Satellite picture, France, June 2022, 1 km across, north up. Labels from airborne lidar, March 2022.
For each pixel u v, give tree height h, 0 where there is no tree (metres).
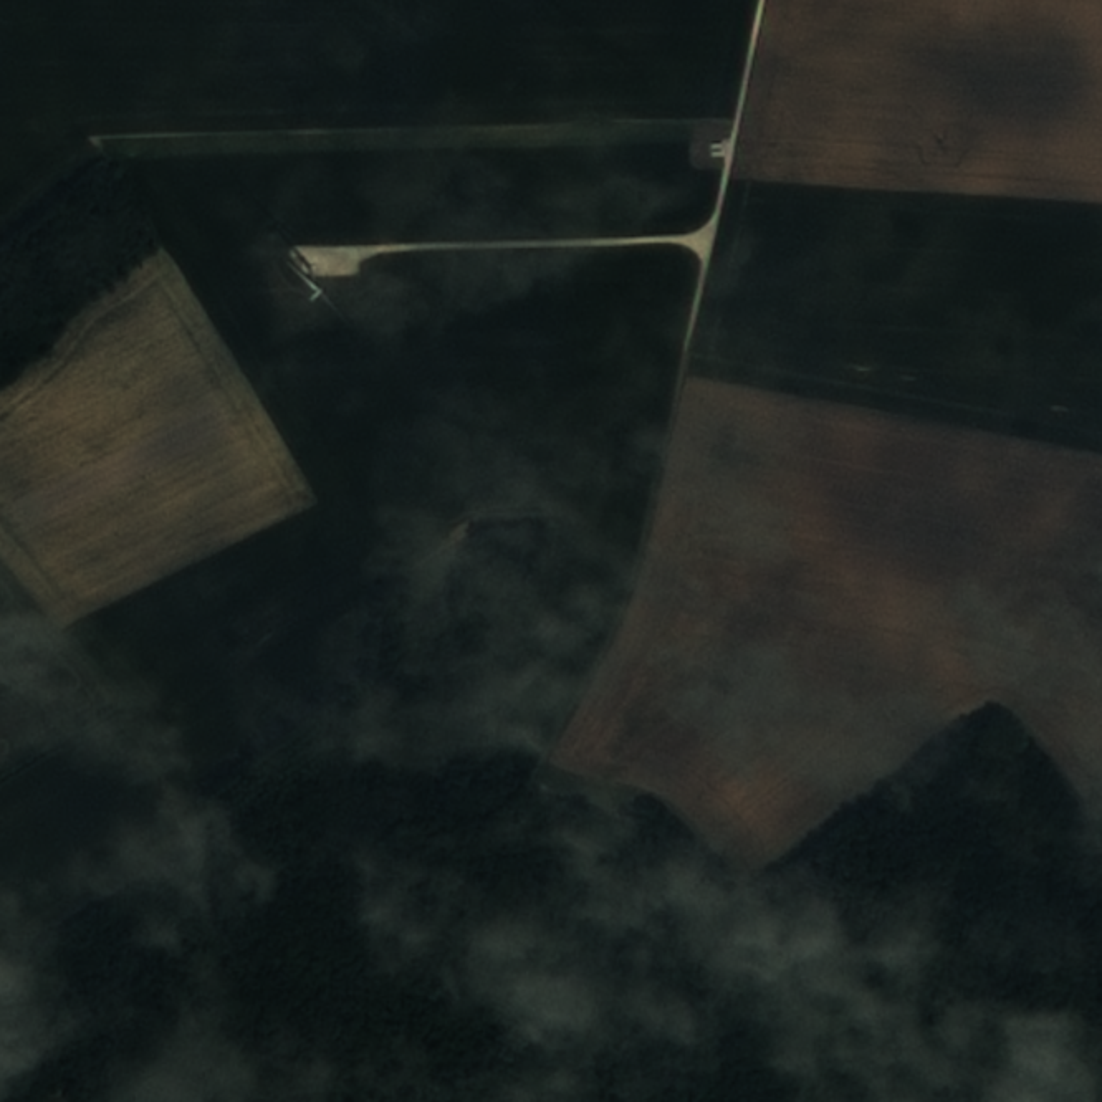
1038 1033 20
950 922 24
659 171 0
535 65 0
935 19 0
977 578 0
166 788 0
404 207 0
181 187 0
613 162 0
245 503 0
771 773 0
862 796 0
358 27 0
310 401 0
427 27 0
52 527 0
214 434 0
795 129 0
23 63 0
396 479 0
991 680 0
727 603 0
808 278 0
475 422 0
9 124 0
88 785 0
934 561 0
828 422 0
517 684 0
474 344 0
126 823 0
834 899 14
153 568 0
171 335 0
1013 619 0
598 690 0
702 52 0
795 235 0
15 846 0
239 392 0
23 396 0
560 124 0
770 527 0
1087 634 0
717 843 0
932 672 0
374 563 0
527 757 0
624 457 0
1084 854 21
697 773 0
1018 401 0
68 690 0
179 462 0
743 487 0
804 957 22
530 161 0
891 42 0
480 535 16
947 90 0
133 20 0
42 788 0
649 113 0
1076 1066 23
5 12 0
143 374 0
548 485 0
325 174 0
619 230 0
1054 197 0
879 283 0
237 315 0
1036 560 0
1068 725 0
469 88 0
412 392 0
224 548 0
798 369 0
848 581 0
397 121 0
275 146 0
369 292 0
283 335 0
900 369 0
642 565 0
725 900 20
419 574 0
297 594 0
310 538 0
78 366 0
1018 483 0
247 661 0
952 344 0
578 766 0
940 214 0
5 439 0
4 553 0
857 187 0
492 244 0
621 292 0
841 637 0
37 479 0
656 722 0
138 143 0
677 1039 19
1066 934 22
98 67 0
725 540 0
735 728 0
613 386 0
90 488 0
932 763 22
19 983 20
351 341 0
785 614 0
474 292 0
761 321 0
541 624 0
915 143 0
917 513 0
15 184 0
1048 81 0
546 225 0
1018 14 0
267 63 0
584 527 0
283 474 0
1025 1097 24
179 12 0
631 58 0
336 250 0
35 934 0
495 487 0
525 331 0
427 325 0
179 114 0
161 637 0
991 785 23
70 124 0
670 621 0
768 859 0
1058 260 0
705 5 0
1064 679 0
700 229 0
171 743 0
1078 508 0
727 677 0
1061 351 0
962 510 0
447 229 0
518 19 0
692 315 0
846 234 0
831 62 0
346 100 0
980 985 16
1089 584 0
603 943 22
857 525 0
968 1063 7
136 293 0
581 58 0
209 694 0
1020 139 0
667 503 0
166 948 23
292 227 0
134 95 0
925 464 0
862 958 22
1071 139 0
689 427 0
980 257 0
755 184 0
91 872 0
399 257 0
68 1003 24
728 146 0
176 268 0
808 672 0
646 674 0
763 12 0
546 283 0
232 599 0
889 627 0
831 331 0
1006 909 19
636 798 0
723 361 0
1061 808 27
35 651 0
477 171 0
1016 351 0
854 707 0
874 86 0
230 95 0
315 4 0
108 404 0
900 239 0
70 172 0
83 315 0
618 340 0
